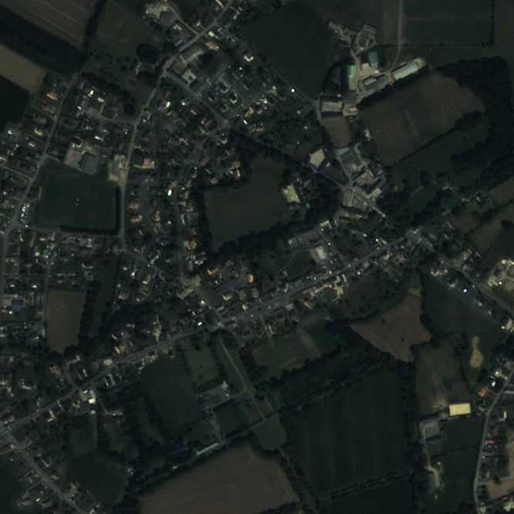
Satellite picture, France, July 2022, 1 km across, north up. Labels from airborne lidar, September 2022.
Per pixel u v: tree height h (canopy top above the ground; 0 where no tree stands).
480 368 0
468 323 0
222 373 10
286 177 16
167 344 0
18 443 0
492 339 0
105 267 14
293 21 0
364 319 8
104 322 14
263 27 0
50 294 0
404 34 0
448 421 8
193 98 0
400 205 30
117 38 0
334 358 15
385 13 0
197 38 0
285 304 0
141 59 13
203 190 20
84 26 0
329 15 0
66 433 9
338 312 0
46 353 13
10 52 0
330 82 12
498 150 21
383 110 0
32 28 0
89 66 0
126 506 16
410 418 19
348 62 10
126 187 0
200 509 0
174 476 14
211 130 7
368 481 7
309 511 16
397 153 0
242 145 24
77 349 13
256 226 0
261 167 0
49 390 13
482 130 0
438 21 0
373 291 0
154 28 7
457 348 13
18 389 0
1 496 0
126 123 0
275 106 0
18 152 9
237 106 0
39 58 0
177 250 8
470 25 0
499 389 16
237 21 5
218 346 0
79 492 12
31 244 0
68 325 0
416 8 0
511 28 0
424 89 0
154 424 13
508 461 0
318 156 0
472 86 28
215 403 0
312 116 14
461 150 0
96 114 0
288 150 0
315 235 0
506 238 0
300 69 0
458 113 0
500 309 0
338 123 0
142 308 10
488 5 0
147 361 0
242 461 0
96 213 0
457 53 0
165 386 0
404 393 14
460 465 0
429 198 0
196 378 0
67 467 0
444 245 14
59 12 0
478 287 0
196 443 10
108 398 7
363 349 17
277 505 0
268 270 0
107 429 0
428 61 0
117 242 7
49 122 9
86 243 0
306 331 0
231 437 9
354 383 5
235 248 25
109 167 0
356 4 0
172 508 0
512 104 15
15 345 13
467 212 0
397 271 0
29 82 0
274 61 0
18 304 0
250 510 0
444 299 0
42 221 0
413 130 0
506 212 0
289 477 11
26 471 0
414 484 20
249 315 0
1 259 0
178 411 0
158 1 0
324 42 0
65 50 0
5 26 12
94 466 0
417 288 0
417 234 0
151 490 15
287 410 11
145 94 0
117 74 0
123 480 0
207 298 0
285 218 0
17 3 0
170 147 0
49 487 0
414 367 21
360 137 11
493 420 6
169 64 0
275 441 0
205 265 13
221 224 0
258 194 0
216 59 0
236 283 0
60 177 0
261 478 0
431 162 0
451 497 0
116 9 0
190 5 0
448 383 0
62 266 0
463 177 0
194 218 0
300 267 0
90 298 15
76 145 0
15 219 0
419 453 16
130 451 0
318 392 7
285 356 0
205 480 0
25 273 9
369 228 0
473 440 0
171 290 9
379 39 0
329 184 18
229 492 0
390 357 21
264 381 22
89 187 0
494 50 0
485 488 8
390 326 0
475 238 0
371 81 0
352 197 0
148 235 12
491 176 17
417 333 0
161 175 7
